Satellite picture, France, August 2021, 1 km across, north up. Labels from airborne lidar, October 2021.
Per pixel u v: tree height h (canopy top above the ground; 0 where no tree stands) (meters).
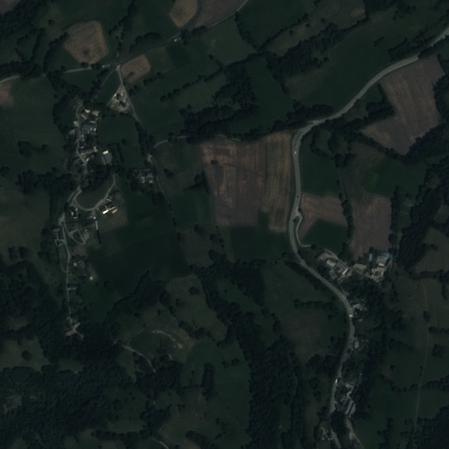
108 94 0
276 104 0
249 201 0
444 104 14
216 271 18
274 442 21
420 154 24
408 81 0
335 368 16
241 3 0
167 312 0
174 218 8
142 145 13
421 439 11
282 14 0
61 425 20
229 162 0
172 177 16
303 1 0
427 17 0
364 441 0
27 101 0
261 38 0
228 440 0
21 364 0
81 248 0
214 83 0
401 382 0
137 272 0
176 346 0
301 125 13
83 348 22
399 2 15
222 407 0
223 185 0
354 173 0
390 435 14
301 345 0
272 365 25
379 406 0
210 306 14
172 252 0
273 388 25
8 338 16
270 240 0
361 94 0
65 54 0
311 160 0
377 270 0
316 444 9
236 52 0
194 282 0
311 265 14
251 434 13
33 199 0
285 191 0
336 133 18
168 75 0
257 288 23
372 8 12
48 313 17
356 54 0
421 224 15
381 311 11
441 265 0
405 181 0
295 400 17
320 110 18
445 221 0
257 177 0
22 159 0
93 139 10
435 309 0
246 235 0
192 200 0
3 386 10
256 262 11
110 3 0
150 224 0
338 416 20
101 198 0
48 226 0
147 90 0
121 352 19
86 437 0
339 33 14
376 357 24
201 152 0
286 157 0
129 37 0
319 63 15
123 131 0
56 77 16
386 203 0
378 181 0
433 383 12
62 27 0
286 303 0
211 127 19
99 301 0
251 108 16
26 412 26
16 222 0
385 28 0
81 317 14
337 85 0
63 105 17
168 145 0
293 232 0
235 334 26
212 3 0
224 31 0
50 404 25
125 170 19
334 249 0
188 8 0
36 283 12
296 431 17
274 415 20
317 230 0
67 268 0
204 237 0
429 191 11
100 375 24
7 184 0
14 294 26
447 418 16
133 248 0
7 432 17
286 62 20
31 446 7
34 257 0
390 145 0
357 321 13
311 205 0
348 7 0
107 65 0
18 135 0
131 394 8
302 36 0
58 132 0
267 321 0
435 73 0
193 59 0
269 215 0
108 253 0
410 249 14
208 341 0
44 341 16
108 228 0
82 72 0
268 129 8
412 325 0
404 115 0
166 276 0
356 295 9
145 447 0
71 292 8
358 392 7
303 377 16
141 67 0
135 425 0
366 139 17
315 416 0
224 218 0
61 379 21
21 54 14
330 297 0
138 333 0
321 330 0
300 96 0
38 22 0
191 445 0
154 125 0
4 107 0
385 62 0
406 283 0
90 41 0
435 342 0
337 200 0
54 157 0
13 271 17
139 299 17
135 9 16
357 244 0
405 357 0
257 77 0
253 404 17
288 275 0
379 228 0
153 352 0
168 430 0
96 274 0
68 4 0
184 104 0
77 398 21
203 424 0
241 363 8
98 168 14
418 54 0
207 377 20
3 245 0
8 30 8
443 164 9
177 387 23
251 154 0
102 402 19
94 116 12
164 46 0
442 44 14
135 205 0
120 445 0
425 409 0
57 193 9
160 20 0
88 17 0
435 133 18
